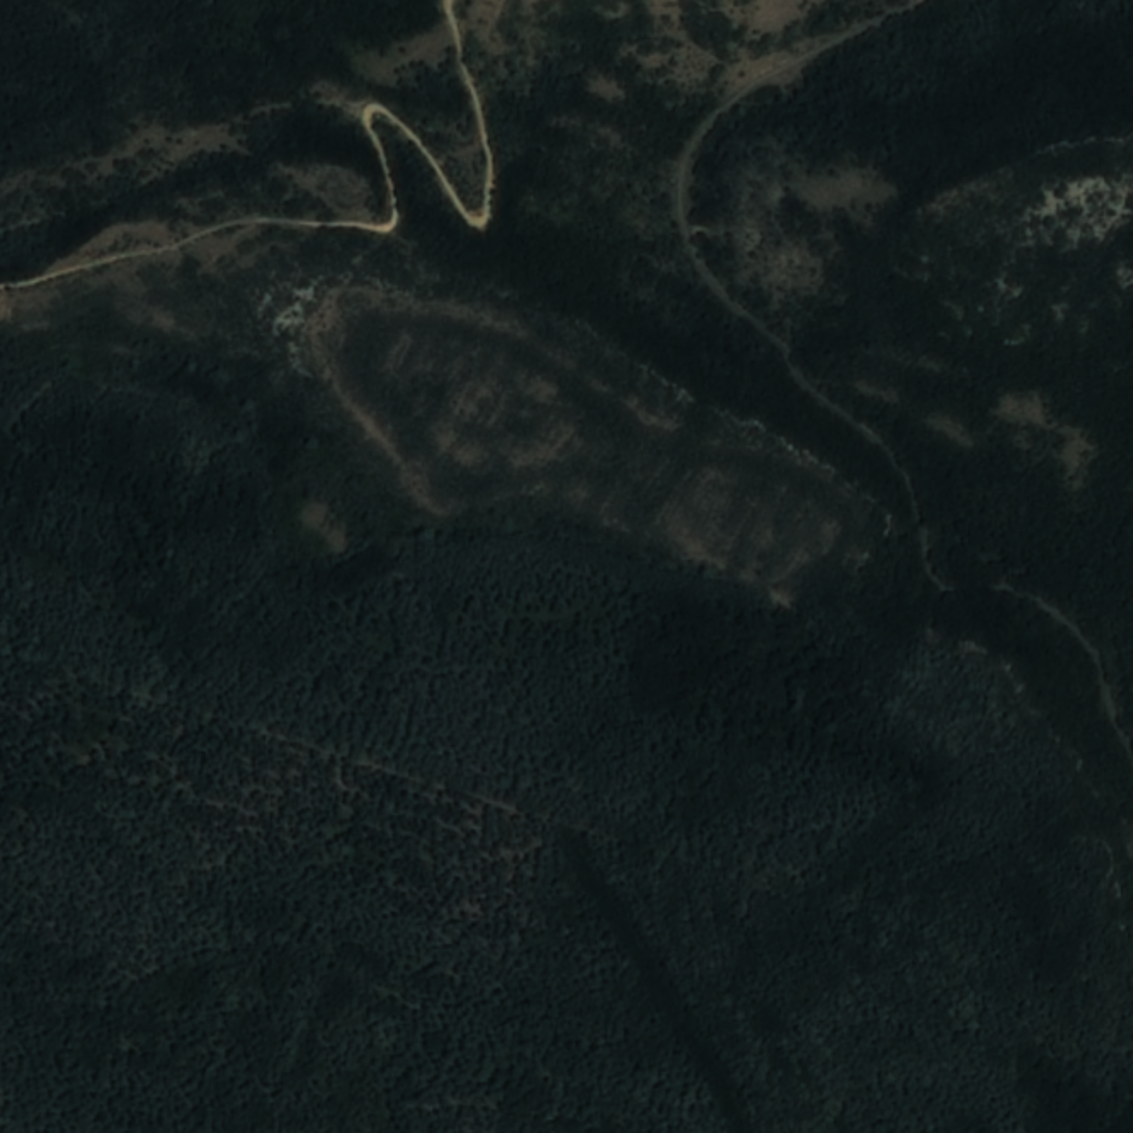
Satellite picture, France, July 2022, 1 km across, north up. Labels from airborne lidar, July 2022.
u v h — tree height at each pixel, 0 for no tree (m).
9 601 11
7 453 16
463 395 0
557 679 16
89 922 15
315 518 0
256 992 22
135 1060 20
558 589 11
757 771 14
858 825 11
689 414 6
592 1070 18
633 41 8
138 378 7
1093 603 12
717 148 8
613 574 17
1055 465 11
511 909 14
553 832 10
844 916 17
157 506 21
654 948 19
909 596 17
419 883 11
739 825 16
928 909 20
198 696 15
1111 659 12
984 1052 22
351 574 21
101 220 10
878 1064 27
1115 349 9
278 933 17
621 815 14
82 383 9
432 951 25
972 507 11
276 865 24
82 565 16
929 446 7
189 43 10
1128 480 10
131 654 17
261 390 7
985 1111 25
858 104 9
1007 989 24
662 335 13
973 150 11
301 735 17
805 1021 23
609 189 7
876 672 17
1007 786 12
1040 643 15
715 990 16
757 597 14
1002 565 15
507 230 14
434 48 0
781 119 8
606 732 16
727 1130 21
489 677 15
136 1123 19
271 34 13
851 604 18
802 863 12
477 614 14
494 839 16
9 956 14
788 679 9
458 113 6
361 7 10
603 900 15
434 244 7
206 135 0
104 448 18
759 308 9
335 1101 20
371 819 17
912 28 11
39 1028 23
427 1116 21
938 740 15
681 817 16
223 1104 21
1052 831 21
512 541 11
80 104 9
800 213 7
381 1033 23
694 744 19
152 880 18
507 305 7
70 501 16
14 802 21
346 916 23
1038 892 14
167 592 20
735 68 0
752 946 15
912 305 13
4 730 16
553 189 10
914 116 10
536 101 11
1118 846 8
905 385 9
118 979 20
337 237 6
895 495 12
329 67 8
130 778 17
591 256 13
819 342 11
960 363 7
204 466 12
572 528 6
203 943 15
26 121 11
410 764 19
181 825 17
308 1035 19
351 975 22
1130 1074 22
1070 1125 25
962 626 16
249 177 13
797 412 14
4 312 0
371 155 9
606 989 19
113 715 20
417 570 12
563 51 8
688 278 11
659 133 11
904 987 22
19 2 9
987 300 6
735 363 14
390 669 15
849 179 0
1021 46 9
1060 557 6
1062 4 9
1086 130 10
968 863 15
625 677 22
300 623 22
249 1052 22
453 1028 19
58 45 6
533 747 20
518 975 23
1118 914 29
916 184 8
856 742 9
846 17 10
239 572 18
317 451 6
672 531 0
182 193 7
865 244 6
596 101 6
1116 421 10
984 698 9
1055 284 8
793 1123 18
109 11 5
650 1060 15
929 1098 25
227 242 0
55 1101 23
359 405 0
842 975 23
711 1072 19
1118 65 12
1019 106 12
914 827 21
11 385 10
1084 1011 12
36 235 12
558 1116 15
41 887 18
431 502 0
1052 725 15
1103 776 16
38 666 19
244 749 14
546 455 0
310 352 0
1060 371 8
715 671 16
